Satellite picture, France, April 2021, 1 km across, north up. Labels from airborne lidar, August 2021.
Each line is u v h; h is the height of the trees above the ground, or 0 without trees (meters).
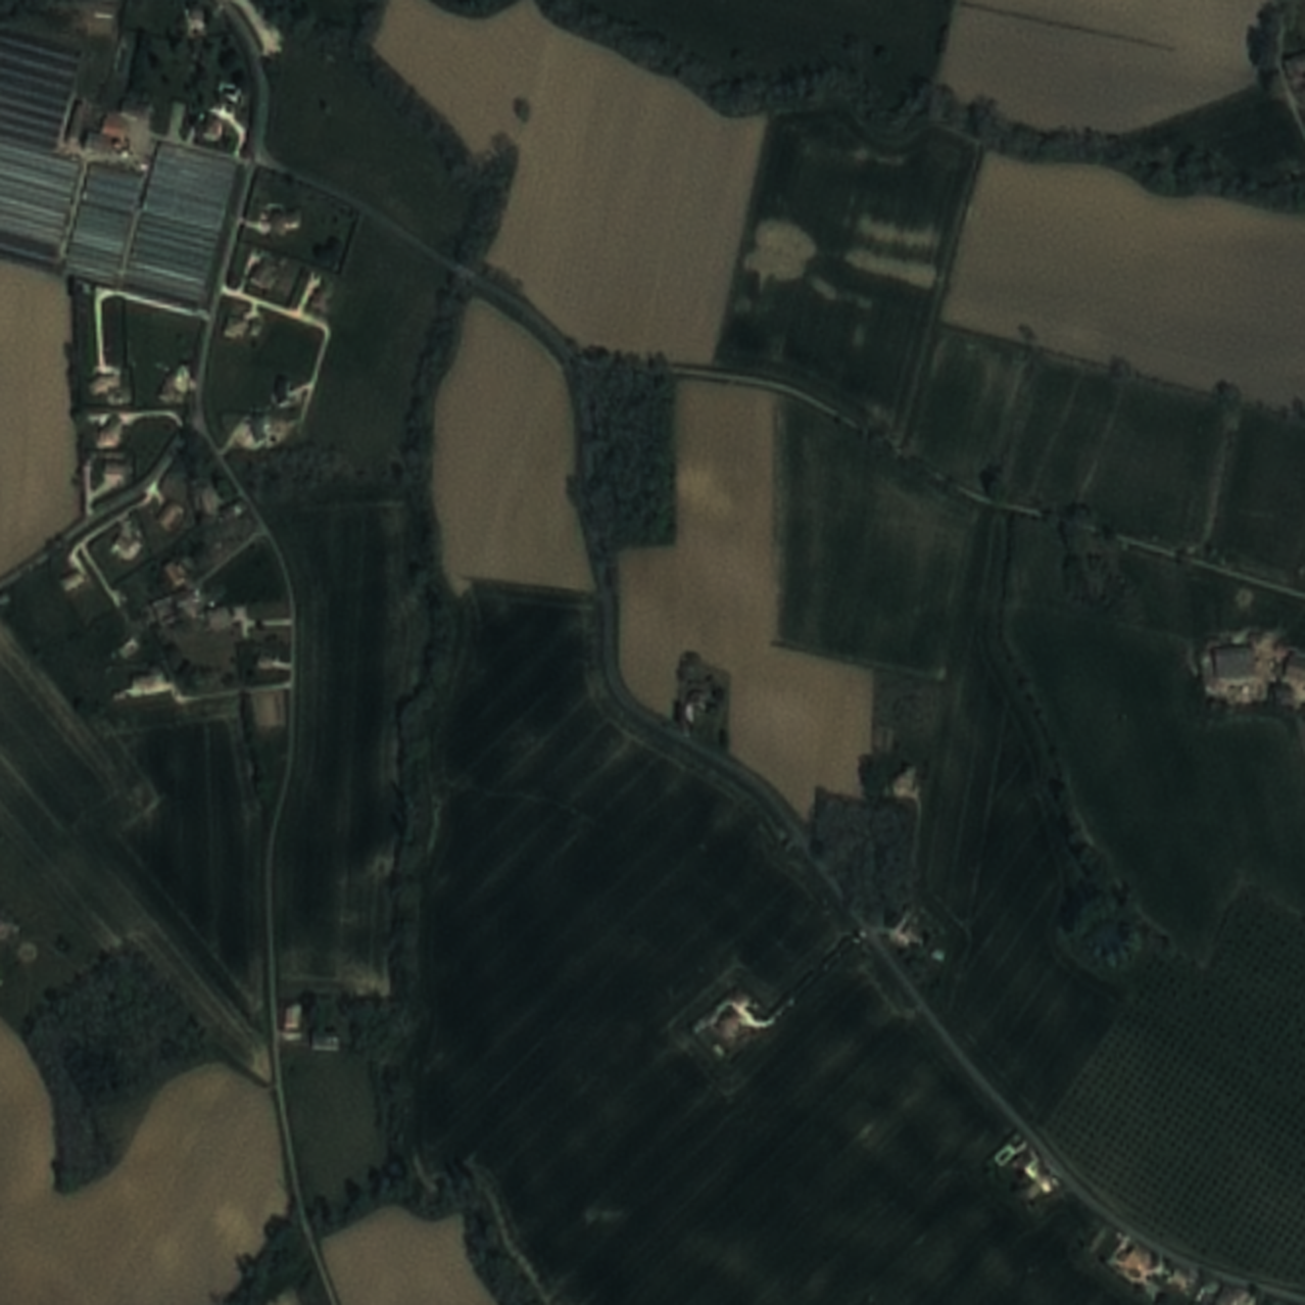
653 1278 0
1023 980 0
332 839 0
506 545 0
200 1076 0
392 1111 6
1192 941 0
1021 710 0
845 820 18
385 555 0
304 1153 0
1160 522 0
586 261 0
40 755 0
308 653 0
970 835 0
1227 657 0
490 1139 0
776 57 0
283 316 0
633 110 0
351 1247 0
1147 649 0
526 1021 0
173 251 0
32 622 0
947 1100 0
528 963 0
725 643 0
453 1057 0
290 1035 0
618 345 0
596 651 0
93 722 0
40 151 0
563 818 0
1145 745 0
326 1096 0
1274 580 0
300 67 0
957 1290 0
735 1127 0
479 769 0
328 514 0
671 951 0
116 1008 20
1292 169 0
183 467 12
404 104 17
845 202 0
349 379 0
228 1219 0
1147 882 0
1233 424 0
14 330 0
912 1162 0
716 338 0
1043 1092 0
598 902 0
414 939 14
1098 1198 0
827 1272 0
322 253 11
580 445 0
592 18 12
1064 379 0
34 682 0
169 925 0
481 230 16
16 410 0
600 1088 0
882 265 0
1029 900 0
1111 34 0
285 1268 15
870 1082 0
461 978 0
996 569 0
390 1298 0
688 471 0
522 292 9
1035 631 0
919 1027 0
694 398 0
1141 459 0
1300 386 0
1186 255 0
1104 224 0
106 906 0
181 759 0
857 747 0
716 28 0
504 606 0
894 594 0
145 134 0
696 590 0
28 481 0
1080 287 0
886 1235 0
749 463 0
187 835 0
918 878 13
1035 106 0
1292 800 0
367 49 15
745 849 0
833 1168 0
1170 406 0
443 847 0
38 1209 0
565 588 0
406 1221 0
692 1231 0
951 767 0
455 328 13
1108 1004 0
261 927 0
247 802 0
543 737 0
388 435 0
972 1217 0
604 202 0
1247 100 0
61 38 0
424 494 14
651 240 0
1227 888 0
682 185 0
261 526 0
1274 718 0
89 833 0
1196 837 0
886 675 0
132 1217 0
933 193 0
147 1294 0
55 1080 18
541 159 0
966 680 0
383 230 0
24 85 0
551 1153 0
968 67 0
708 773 0
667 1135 0
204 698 0
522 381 0
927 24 0
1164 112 0
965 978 0
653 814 0
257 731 7
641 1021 0
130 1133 0
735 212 0
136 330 0
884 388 0
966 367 0
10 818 0
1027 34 0
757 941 0
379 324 0
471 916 0
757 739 0
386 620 0
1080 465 0
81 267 0
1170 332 0
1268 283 0
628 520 14
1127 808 0
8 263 0
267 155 0
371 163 0
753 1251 0
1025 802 0
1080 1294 0
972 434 0
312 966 0
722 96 15
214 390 0
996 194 0
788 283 0
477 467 0
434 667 14
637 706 0
